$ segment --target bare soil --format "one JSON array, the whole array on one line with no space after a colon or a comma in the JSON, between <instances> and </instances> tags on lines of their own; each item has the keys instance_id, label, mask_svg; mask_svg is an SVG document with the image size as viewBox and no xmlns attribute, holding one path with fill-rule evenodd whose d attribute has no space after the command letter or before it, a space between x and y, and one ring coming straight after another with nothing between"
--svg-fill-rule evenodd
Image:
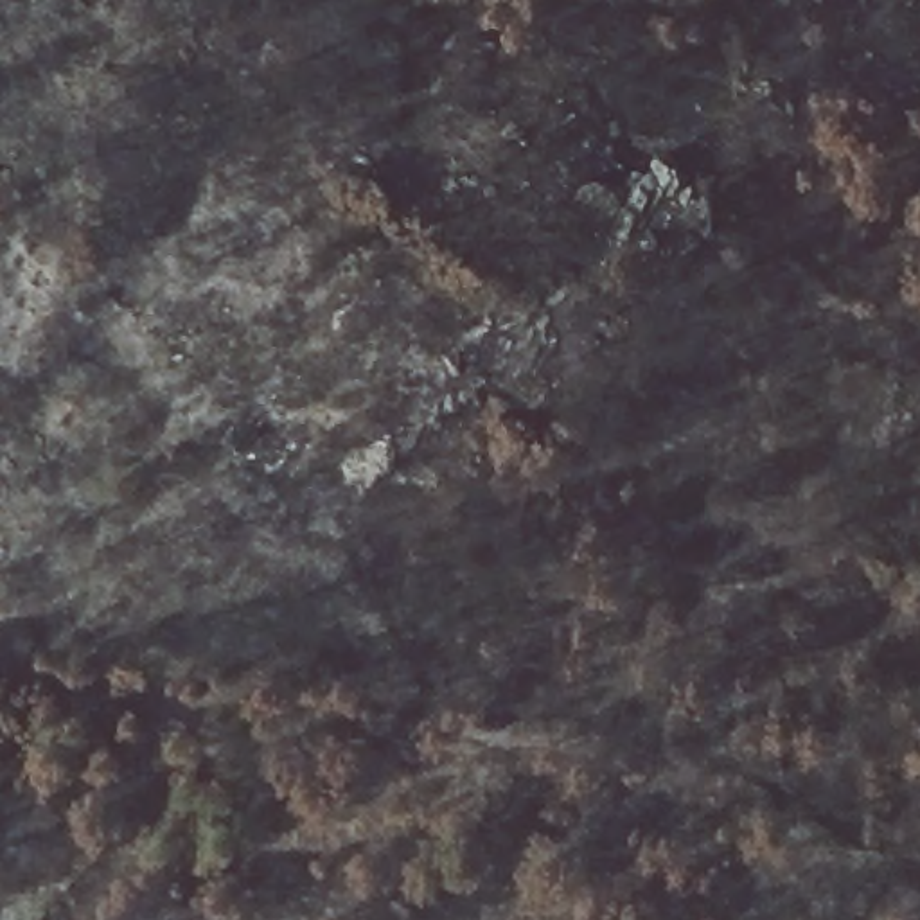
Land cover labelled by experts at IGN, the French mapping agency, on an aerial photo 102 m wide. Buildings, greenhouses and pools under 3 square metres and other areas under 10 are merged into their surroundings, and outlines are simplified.
<instances>
[{"instance_id":1,"label":"bare soil","mask_svg":"<svg viewBox=\"0 0 920 920\"><path fill-rule=\"evenodd\" d=\"M607 880L643 884L647 877L640 873L636 855L625 845L625 834L643 834L650 845L676 837L686 863L719 848L719 841L712 837L715 830L708 830L704 823L704 791L683 780L683 769L668 751L668 737L661 726L665 690L676 683L661 668L672 647L712 647L715 683L726 704L737 712L755 708L776 679L798 683L809 672L830 668L841 654L852 650L920 650L920 302L902 302L902 244L859 237L848 226L852 208L834 187L830 158L816 151L816 126L809 126L809 93L855 86L877 93L884 108L913 101L920 104L920 0L550 0L550 11L564 25L564 40L550 54L528 61L518 54L503 54L500 36L482 29L471 14L446 0L0 0L0 665L4 672L11 672L22 661L32 668L36 658L65 665L72 654L137 654L144 668L158 676L165 676L165 668L176 658L187 658L190 672L198 665L212 665L219 672L219 683L237 683L241 676L259 679L262 672L273 672L284 683L305 686L327 661L338 668L352 668L388 704L413 704L417 712L428 708L428 715L467 712L478 719L482 730L518 726L546 733L557 722L568 722L579 737L597 733L604 740L600 748L629 748L643 773L643 783L615 791L611 805L593 805L579 798L571 805L561 841L571 845L586 866L600 870Z\"/></svg>"}]
</instances>

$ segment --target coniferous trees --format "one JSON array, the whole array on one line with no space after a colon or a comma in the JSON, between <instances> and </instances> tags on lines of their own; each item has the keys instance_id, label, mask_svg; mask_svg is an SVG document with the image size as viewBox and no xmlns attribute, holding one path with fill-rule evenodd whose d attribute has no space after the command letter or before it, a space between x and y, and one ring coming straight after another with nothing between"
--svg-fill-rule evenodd
<instances>
[{"instance_id":1,"label":"coniferous trees","mask_svg":"<svg viewBox=\"0 0 920 920\"><path fill-rule=\"evenodd\" d=\"M665 690L661 726L668 737L668 751L683 769L683 780L704 791L704 823L708 830L715 830L712 837L719 841L719 848L686 863L676 837L650 845L643 834L625 834L625 845L636 855L640 873L647 877L643 884L607 880L600 870L586 866L571 845L561 841L571 805L579 798L593 805L611 805L615 791L643 783L643 773L629 748L600 748L604 740L597 733L579 737L568 722L557 722L546 733L518 726L482 730L478 719L467 712L428 715L428 708L417 712L413 704L388 704L352 668L338 668L327 661L305 686L284 683L273 672L262 672L259 679L241 676L237 683L219 683L219 672L212 665L198 665L190 672L187 658L176 658L165 668L165 676L158 676L144 668L137 654L72 654L65 665L36 658L32 668L22 661L11 672L4 672L0 665L0 920L920 920L920 650L852 650L841 654L830 668L809 672L798 683L776 679L755 708L737 712L726 704L715 683L712 647L672 647L661 668L676 683Z\"/></svg>"},{"instance_id":2,"label":"coniferous trees","mask_svg":"<svg viewBox=\"0 0 920 920\"><path fill-rule=\"evenodd\" d=\"M913 101L884 108L877 93L855 86L809 93L809 126L816 126L816 151L830 158L834 187L852 208L848 226L859 237L902 244L902 302L920 302L920 104Z\"/></svg>"},{"instance_id":3,"label":"coniferous trees","mask_svg":"<svg viewBox=\"0 0 920 920\"><path fill-rule=\"evenodd\" d=\"M500 36L503 54L518 54L528 61L550 54L564 40L564 25L550 11L550 0L446 0L471 14L482 29Z\"/></svg>"}]
</instances>

